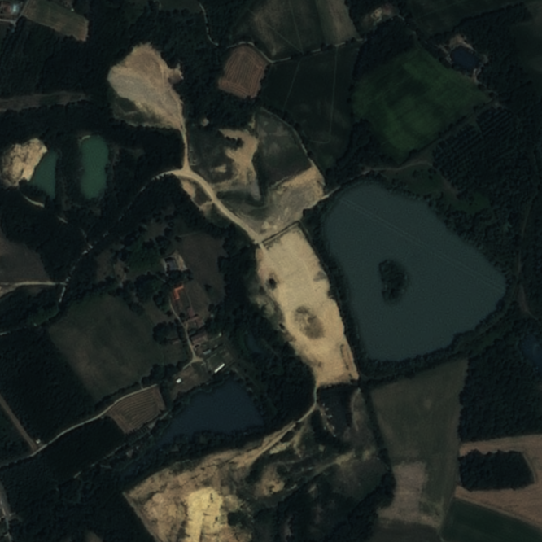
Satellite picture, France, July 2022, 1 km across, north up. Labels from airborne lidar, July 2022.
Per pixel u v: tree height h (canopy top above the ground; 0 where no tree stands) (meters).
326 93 0
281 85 0
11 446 8
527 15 13
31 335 22
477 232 17
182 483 0
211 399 0
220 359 0
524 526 0
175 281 21
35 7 0
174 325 14
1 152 12
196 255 0
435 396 0
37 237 19
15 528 16
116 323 0
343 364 0
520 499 0
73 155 9
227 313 16
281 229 0
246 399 0
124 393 9
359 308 0
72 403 11
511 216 14
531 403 6
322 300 0
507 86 12
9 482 12
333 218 0
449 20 0
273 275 0
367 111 0
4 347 13
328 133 0
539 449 0
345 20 0
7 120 14
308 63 0
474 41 13
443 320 0
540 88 0
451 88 0
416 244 0
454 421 0
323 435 8
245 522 6
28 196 13
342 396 9
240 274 22
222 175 0
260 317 17
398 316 0
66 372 8
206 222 22
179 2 0
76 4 12
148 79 0
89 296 25
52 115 17
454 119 0
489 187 16
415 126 0
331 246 0
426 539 0
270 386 14
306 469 0
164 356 0
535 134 15
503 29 15
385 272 7
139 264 34
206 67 6
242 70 0
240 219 0
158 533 0
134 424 0
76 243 18
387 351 0
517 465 13
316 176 0
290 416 17
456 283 0
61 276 16
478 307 0
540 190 13
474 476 24
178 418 0
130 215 15
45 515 30
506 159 12
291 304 0
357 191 0
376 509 14
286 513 11
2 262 0
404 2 15
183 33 8
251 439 13
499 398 11
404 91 0
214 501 0
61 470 17
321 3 0
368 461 0
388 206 0
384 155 5
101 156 0
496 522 0
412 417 0
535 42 0
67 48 14
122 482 11
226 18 6
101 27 24
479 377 21
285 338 0
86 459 19
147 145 14
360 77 21
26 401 17
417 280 0
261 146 0
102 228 15
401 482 0
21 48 15
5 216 12
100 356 0
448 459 0
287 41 0
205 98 21
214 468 0
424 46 11
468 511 0
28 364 13
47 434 17
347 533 22
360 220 0
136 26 6
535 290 13
